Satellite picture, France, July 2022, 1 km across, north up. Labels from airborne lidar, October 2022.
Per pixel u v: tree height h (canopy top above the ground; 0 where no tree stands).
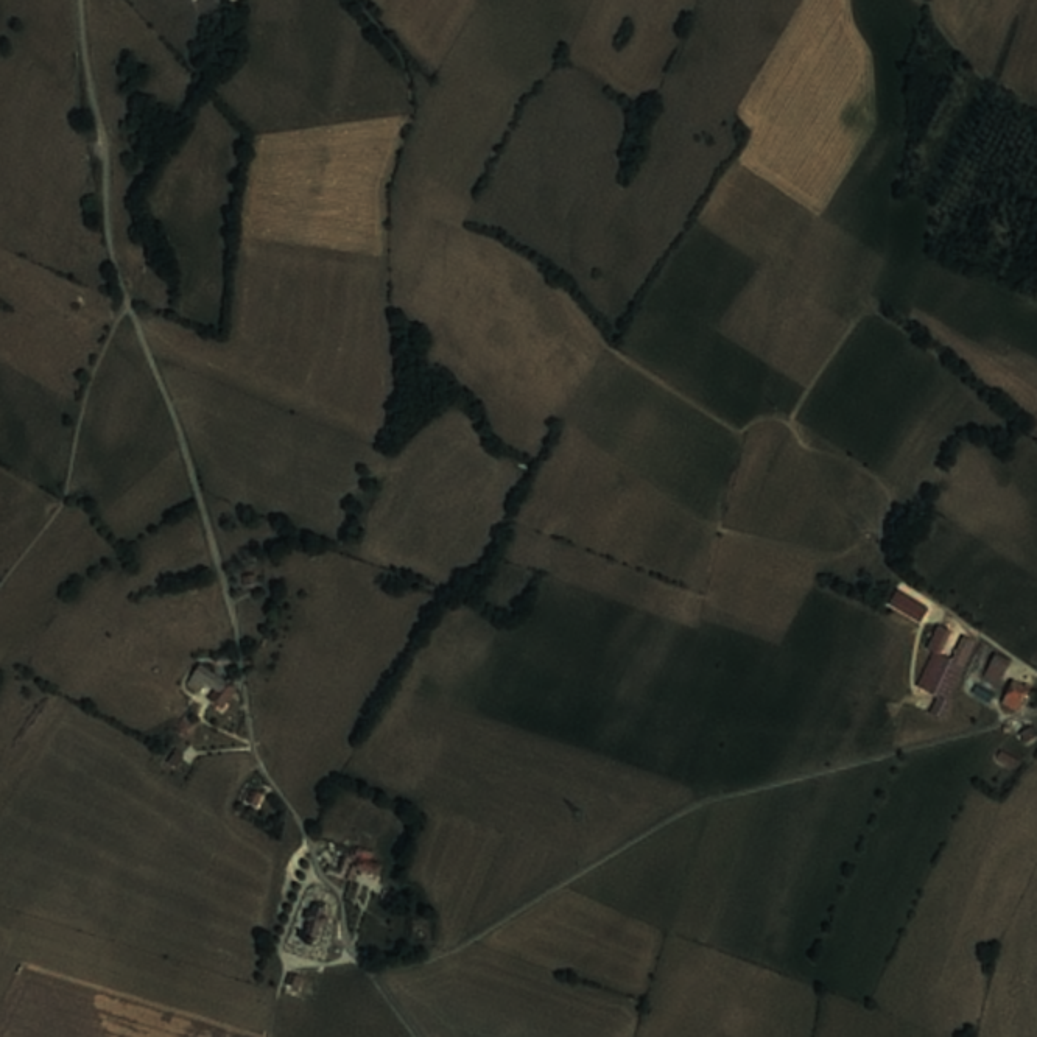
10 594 0
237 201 14
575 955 0
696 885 0
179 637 0
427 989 0
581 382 0
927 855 0
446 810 0
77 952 0
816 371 0
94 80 0
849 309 0
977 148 30
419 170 0
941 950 0
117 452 0
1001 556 0
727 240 0
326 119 0
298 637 0
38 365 0
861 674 0
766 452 0
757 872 0
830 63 0
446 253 0
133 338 0
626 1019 0
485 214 0
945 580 0
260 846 0
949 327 0
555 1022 0
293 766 0
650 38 0
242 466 0
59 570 0
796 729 0
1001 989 0
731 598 0
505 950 0
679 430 0
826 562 0
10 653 0
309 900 0
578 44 0
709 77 0
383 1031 0
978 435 19
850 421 0
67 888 0
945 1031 0
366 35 10
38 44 0
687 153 0
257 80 0
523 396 0
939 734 0
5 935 0
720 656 0
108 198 0
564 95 0
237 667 10
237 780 0
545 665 0
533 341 0
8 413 0
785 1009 0
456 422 0
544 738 0
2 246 0
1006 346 0
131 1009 0
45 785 0
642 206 0
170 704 0
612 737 0
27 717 0
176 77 0
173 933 0
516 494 13
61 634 0
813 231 0
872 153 0
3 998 0
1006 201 26
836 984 0
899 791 0
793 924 0
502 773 0
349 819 0
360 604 0
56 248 0
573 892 0
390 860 0
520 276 0
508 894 0
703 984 0
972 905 0
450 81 0
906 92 10
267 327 0
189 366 0
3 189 0
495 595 0
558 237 0
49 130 0
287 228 0
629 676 0
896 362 0
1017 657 0
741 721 0
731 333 0
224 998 0
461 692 0
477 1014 0
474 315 0
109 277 13
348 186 0
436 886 0
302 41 0
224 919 0
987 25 0
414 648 8
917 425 0
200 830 0
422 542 0
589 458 0
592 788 0
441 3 0
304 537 7
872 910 0
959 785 0
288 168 0
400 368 12
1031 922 0
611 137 0
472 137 0
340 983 0
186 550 0
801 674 0
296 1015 0
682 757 0
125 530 0
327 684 0
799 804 0
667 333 0
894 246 0
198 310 0
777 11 0
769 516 0
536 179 0
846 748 0
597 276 6
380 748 0
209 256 0
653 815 0
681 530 0
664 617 0
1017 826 0
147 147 16
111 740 0
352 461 0
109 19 0
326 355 0
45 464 0
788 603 0
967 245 24
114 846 0
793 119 0
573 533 0
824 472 0
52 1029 0
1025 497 0
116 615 0
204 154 0
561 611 0
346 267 0
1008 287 8
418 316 0
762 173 0
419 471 0
